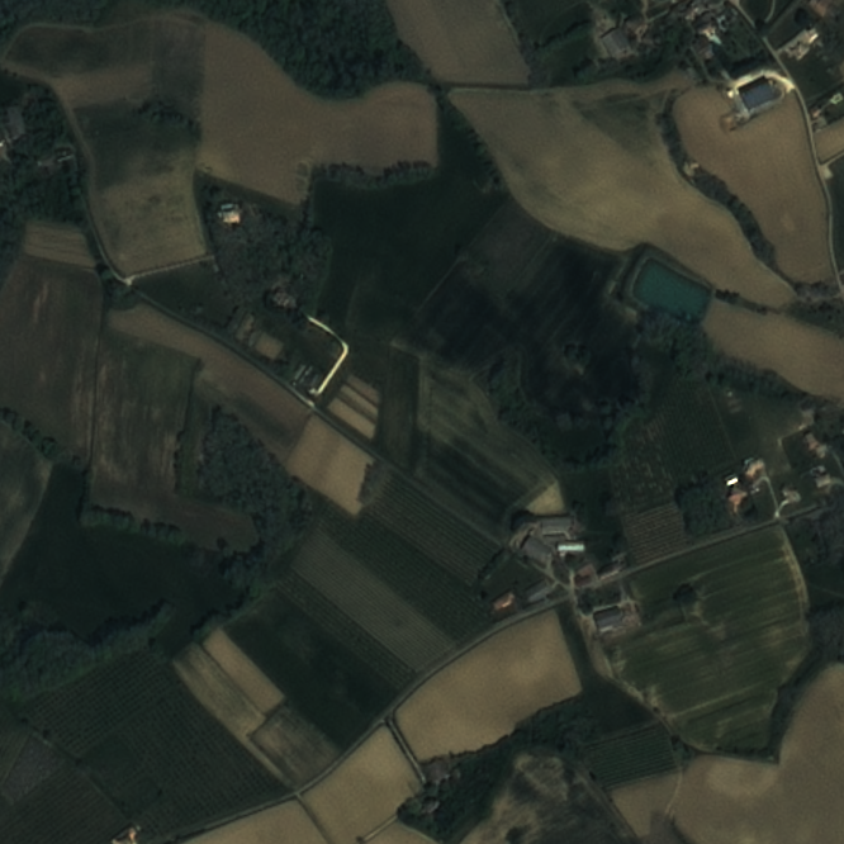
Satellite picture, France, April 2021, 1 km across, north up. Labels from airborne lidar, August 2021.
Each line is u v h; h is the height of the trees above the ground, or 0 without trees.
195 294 0
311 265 19
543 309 0
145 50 0
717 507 17
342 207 0
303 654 0
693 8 0
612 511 20
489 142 0
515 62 0
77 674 15
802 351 0
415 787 0
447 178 0
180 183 0
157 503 0
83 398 0
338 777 0
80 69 0
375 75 16
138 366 0
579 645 0
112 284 11
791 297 0
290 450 0
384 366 0
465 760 10
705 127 0
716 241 0
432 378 0
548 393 0
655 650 0
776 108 0
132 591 0
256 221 15
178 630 0
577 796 0
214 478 20
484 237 0
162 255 0
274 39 17
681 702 0
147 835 9
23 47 0
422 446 0
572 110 0
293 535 20
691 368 18
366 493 12
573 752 22
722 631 0
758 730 0
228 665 0
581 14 0
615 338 0
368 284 0
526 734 9
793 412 0
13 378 0
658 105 0
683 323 18
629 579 0
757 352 0
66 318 0
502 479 0
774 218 0
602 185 0
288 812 0
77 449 0
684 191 0
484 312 0
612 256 0
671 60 11
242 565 12
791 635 0
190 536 0
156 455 0
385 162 0
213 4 18
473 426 0
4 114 6
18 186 11
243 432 16
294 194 0
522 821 0
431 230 0
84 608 0
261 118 0
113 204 0
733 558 0
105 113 0
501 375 18
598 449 5
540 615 0
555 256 0
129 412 0
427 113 0
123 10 0
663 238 0
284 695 0
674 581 0
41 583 0
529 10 0
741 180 0
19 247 12
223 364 0
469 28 0
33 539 0
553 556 7
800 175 0
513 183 0
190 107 0
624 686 0
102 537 0
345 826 0
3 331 0
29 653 27
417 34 0
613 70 13
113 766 0
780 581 0
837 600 0
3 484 0
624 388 0
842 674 0
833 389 0
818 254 0
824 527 14
